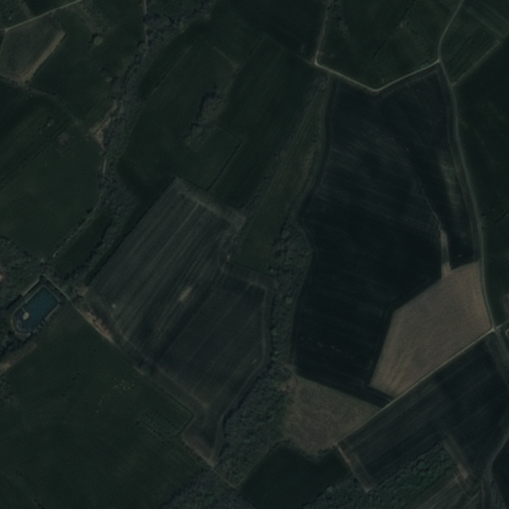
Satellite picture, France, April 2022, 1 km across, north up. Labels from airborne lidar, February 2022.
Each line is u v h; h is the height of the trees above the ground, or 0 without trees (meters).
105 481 0
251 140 0
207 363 0
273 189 0
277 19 0
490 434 0
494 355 0
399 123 0
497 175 0
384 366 0
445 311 0
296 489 0
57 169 0
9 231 0
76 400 0
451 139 0
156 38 11
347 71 0
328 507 6
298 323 0
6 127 0
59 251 10
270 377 15
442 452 10
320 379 0
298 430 0
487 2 0
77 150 0
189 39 0
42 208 0
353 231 0
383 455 0
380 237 0
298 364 0
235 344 0
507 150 0
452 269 0
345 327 0
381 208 0
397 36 0
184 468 0
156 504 0
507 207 0
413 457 0
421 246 0
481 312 0
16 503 0
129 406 0
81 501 0
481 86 0
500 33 0
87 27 0
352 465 0
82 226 12
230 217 0
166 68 0
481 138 0
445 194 0
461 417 0
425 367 0
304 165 0
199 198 0
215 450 0
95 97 0
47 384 0
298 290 6
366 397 0
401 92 0
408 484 10
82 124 0
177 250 0
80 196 0
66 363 0
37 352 0
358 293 0
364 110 0
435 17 0
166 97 0
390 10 0
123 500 0
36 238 0
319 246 0
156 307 0
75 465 0
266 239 0
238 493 11
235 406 0
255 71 0
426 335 0
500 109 0
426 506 0
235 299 0
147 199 0
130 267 0
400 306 0
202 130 10
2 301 16
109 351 0
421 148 0
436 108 0
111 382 0
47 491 0
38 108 0
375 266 0
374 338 0
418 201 0
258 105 0
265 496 0
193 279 0
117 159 12
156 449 0
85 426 0
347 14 0
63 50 0
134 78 15
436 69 0
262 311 0
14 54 0
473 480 0
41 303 0
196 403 0
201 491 18
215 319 0
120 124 17
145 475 0
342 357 0
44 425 0
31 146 0
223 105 23
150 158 0
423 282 0
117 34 0
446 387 0
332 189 0
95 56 0
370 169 0
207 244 0
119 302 0
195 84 0
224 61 0
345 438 0
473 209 0
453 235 0
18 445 0
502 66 0
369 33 0
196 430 0
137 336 0
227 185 0
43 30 0
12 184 0
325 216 0
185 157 0
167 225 0
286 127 0
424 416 0
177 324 0
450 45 0
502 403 0
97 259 15
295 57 0
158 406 0
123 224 15
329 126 0
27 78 0
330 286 0
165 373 0
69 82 0
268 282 0
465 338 0
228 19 0
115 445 0
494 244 0
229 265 0
